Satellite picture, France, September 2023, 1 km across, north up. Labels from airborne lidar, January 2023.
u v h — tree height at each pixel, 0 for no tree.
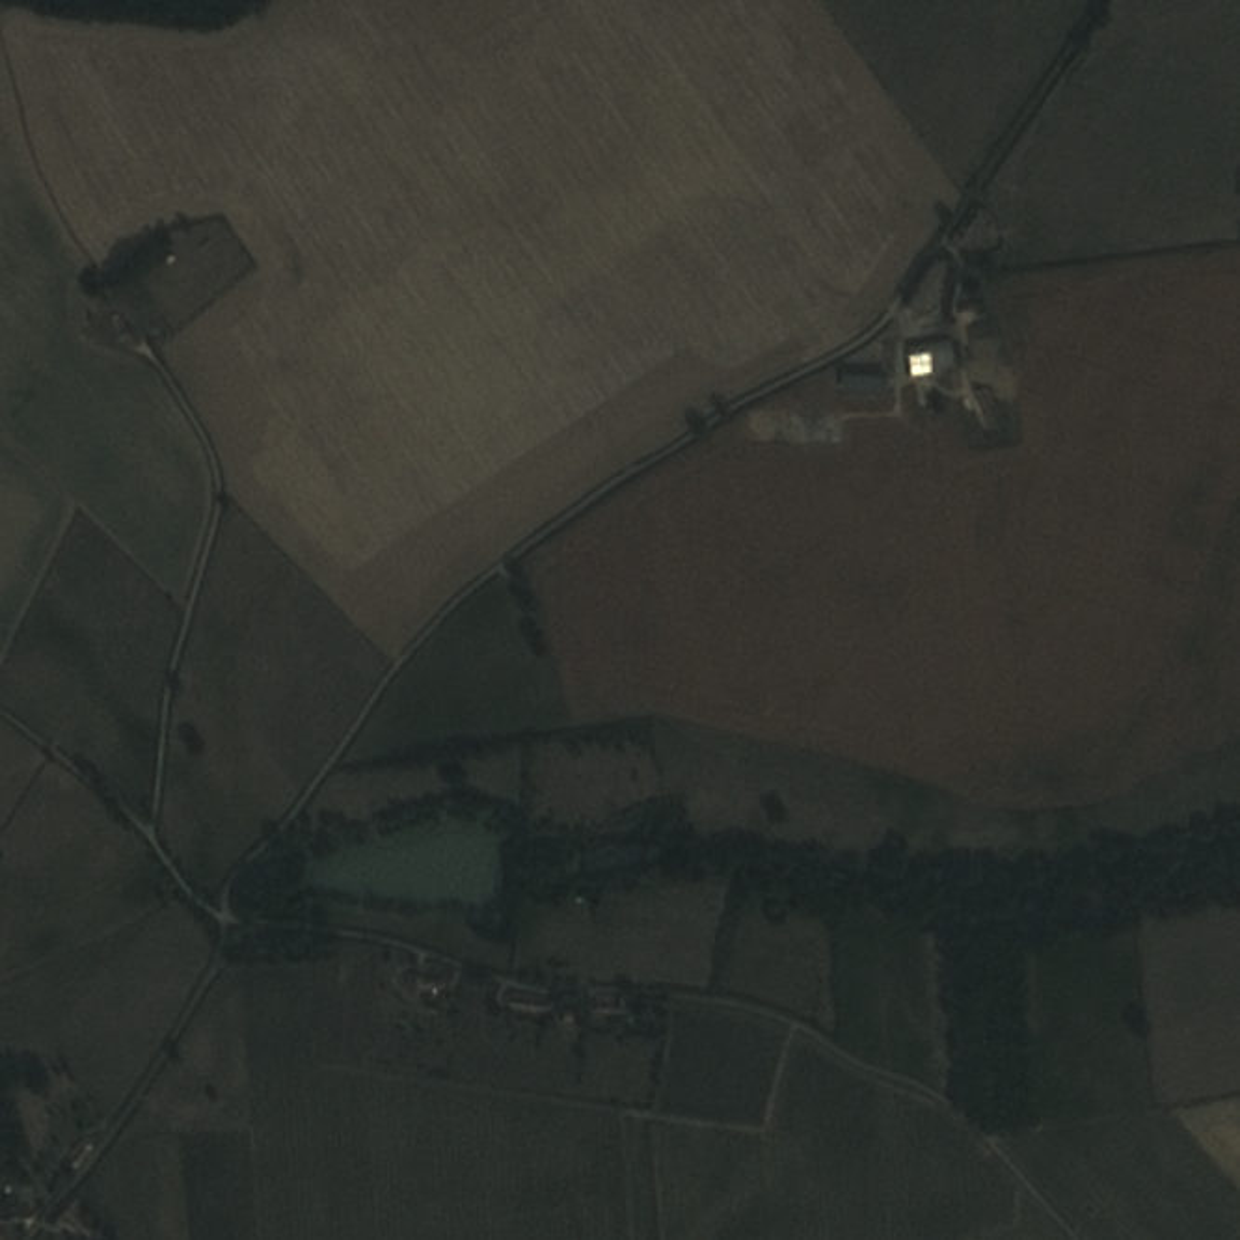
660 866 11
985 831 0
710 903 0
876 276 0
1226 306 0
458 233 0
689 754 0
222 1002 0
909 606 0
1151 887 12
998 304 0
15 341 0
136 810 13
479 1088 0
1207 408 0
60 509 0
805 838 0
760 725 0
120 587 0
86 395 0
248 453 0
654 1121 0
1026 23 0
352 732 0
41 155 0
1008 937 24
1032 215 0
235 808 0
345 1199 0
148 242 10
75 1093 0
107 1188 0
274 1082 0
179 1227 0
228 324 0
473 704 0
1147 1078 0
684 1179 0
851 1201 0
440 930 0
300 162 0
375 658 0
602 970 0
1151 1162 0
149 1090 0
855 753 0
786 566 0
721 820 0
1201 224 0
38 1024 0
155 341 6
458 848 0
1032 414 0
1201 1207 0
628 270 0
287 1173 0
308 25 0
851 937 0
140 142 0
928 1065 0
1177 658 0
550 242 0
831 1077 0
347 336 0
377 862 0
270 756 0
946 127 0
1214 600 0
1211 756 0
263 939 7
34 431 0
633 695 0
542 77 0
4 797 0
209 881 0
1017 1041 21
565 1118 0
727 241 0
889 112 0
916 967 0
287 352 0
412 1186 0
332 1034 0
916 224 0
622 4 0
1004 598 0
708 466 0
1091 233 0
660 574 0
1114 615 0
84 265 0
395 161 0
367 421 0
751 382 0
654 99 0
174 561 0
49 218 0
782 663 0
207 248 0
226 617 0
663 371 0
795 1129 0
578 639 0
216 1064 0
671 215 0
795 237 0
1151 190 0
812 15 0
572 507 0
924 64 0
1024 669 0
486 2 0
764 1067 0
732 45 0
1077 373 0
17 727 0
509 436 0
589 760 0
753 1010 0
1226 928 0
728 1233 0
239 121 0
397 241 0
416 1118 0
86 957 0
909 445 0
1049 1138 0
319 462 0
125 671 0
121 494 0
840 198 0
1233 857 22
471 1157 0
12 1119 19
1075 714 0
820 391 0
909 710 0
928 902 16
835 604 0
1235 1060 0
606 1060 0
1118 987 0
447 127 0
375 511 0
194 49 0
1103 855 21
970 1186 0
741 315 0
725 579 0
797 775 0
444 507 0
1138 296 0
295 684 0
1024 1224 0
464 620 0
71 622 0
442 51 0
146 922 0
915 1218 0
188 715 0
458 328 0
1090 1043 0
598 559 0
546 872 18
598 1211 0
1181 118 0
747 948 0
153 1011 0
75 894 0
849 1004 0
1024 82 0
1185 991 0
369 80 0
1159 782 0
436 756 10
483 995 0
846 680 0
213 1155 0
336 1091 0
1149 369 0
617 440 0
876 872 9
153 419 0
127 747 0
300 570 0
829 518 0
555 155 0
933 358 0
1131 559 0
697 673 0
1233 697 0
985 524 0
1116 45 0
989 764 0
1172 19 0
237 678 0
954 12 0
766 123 0
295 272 0
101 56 0
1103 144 0
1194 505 0
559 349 0
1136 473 0
